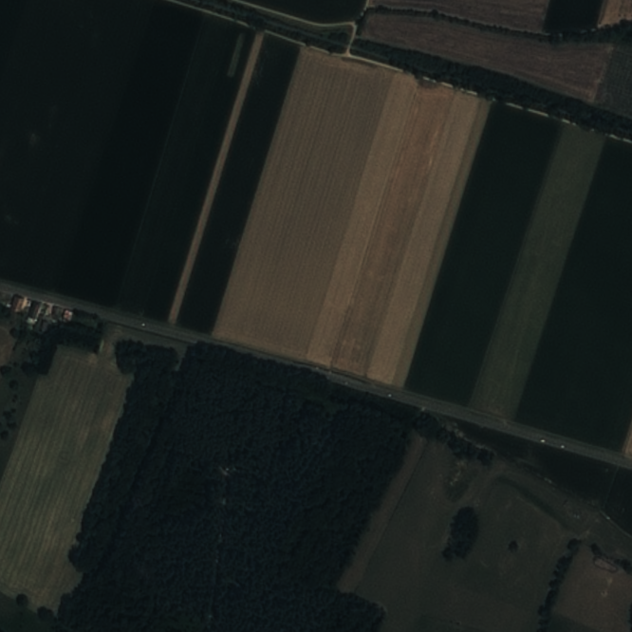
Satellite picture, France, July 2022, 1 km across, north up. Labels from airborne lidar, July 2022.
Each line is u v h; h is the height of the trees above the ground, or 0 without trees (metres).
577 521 0
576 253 0
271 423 22
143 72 0
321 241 0
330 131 0
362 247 0
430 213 0
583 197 0
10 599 0
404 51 10
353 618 15
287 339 0
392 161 0
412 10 6
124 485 26
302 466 34
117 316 0
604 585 0
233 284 0
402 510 0
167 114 0
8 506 0
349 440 25
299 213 0
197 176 0
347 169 0
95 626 21
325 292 0
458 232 0
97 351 11
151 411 29
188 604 34
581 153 0
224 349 15
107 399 0
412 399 0
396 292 0
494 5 0
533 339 0
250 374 22
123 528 27
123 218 0
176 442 18
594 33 16
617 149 0
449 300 0
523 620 0
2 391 0
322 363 0
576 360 0
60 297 0
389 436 27
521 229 0
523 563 0
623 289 0
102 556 9
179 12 0
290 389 29
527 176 0
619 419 0
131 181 0
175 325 0
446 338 0
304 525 20
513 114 0
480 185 0
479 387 0
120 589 14
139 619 24
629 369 0
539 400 0
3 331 0
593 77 0
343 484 24
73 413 0
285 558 17
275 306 0
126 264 0
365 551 0
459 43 0
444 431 17
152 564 28
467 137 0
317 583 27
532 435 0
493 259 0
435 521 0
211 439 22
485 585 0
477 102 0
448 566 0
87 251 0
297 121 0
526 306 0
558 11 0
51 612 11
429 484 0
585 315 0
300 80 0
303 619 34
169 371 24
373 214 0
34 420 0
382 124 0
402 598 0
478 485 0
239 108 0
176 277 0
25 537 0
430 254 0
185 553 34
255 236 0
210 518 33
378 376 0
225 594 13
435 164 0
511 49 0
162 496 14
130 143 0
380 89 0
